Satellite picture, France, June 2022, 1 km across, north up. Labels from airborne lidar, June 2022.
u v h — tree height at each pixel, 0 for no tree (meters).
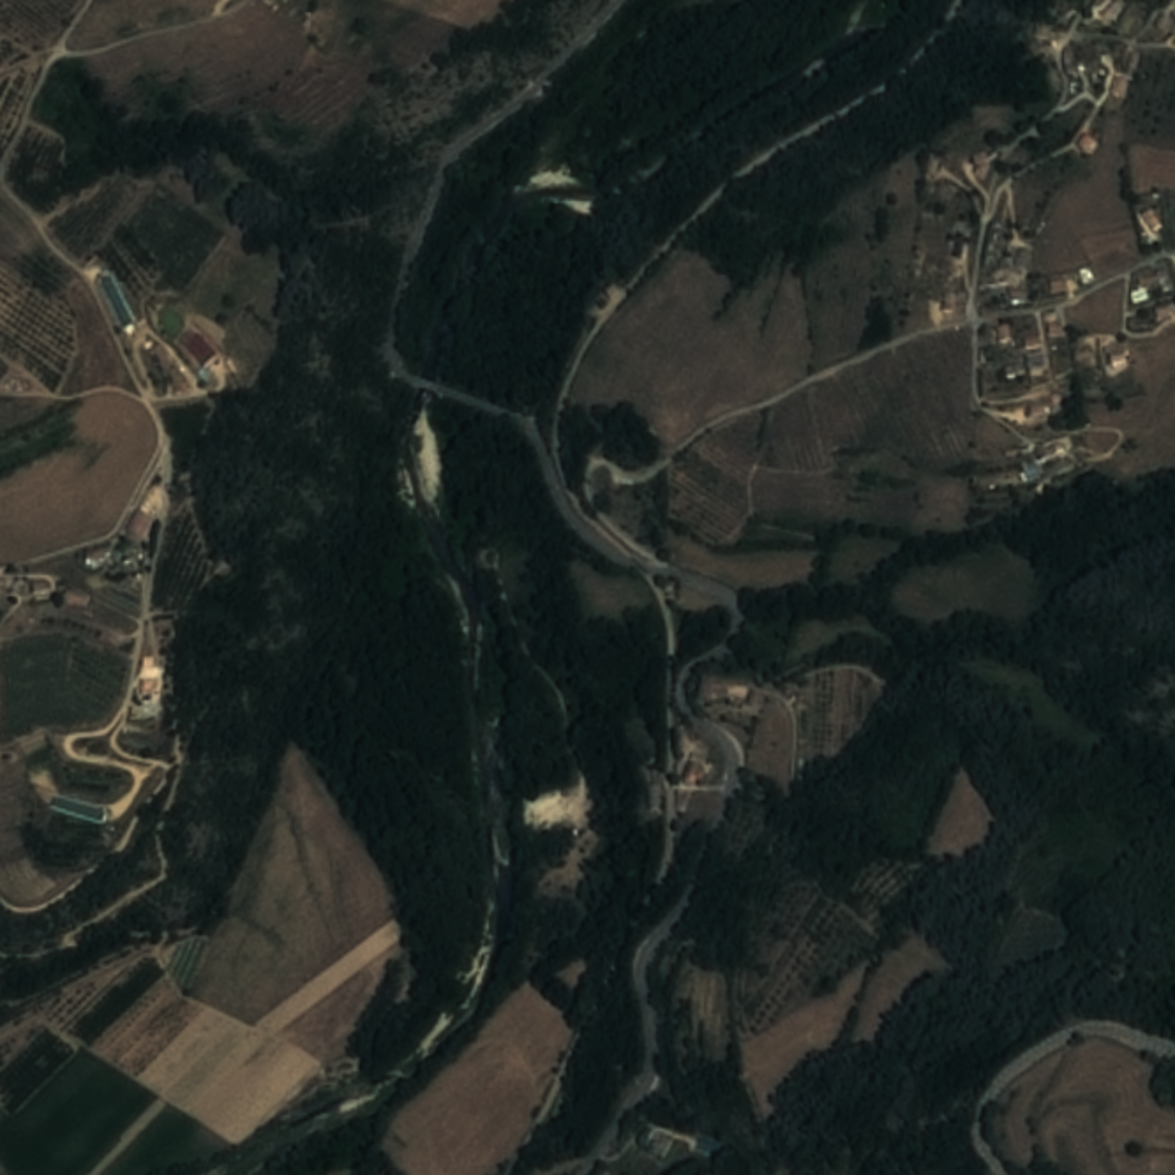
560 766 19
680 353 0
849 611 21
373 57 0
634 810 15
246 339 0
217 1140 0
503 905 0
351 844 0
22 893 0
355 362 13
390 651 15
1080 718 12
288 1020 0
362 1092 0
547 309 17
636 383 0
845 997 0
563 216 18
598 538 0
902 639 20
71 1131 0
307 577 10
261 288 0
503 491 16
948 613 0
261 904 0
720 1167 17
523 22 9
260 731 9
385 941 0
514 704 20
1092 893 9
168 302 0
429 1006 10
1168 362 0
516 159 17
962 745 12
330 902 0
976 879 14
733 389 0
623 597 0
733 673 10
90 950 12
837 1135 16
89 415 0
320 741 15
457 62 8
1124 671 10
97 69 0
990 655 21
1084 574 7
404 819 16
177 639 8
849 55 19
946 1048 21
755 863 9
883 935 9
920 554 25
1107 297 0
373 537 10
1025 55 10
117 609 0
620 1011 18
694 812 0
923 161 8
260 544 21
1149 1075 0
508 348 26
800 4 25
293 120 0
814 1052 6
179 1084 0
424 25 0
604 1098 11
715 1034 0
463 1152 0
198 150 12
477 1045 0
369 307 7
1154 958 19
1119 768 16
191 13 0
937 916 11
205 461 7
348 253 7
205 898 12
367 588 13
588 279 13
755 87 20
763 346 0
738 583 0
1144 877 17
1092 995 14
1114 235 0
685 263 0
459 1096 0
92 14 0
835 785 7
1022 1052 9
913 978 0
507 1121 0
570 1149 15
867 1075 16
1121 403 7
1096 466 0
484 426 23
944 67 6
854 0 20
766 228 6
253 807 13
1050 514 20
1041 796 16
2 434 0
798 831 14
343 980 0
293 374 11
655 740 13
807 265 6
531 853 10
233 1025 0
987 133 0
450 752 17
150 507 0
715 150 10
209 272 0
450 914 16
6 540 0
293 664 8
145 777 0
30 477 0
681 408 0
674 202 18
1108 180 0
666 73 21
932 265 0
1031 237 8
